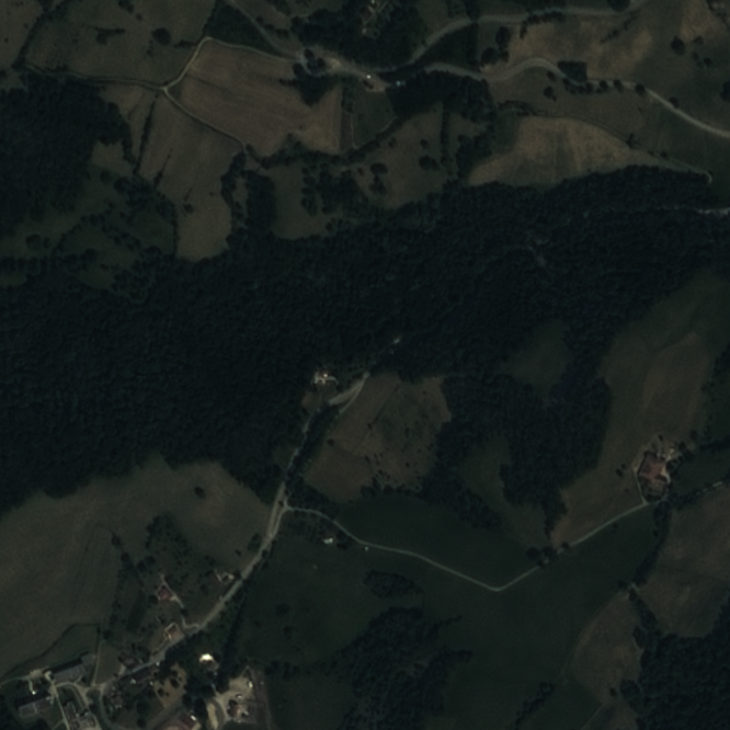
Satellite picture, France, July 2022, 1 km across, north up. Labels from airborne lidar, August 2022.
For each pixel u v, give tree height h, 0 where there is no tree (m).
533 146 0
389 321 19
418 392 0
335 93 0
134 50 0
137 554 0
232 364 25
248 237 20
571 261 16
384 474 7
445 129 7
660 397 0
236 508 0
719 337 0
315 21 12
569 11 0
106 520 0
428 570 0
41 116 16
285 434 24
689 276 9
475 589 0
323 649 0
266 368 22
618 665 0
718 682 24
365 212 8
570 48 0
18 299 11
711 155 0
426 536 0
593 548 0
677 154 0
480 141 17
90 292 19
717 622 0
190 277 19
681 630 0
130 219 11
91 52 0
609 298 30
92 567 0
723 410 0
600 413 25
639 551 0
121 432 22
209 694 13
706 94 0
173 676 7
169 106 0
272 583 0
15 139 23
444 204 14
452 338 28
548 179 0
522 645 0
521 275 14
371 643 13
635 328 0
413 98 22
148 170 0
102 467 17
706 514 0
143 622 0
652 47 0
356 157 10
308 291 19
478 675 0
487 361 15
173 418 27
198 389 20
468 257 20
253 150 11
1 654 0
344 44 21
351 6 19
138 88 0
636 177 21
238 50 0
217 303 24
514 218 7
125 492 0
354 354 16
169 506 0
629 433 0
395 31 21
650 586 0
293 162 10
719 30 0
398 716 9
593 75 0
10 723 14
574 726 0
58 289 23
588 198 26
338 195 17
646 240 18
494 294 16
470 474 0
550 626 0
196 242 0
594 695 0
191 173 0
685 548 0
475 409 21
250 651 0
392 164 0
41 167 22
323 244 15
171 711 0
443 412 0
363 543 0
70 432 31
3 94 11
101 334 21
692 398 0
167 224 0
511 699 0
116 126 17
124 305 15
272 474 20
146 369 20
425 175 0
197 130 0
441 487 21
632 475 0
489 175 0
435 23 0
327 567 0
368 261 18
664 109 0
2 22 0
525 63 0
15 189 26
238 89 0
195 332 21
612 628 0
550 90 8
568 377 0
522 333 19
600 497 0
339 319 18
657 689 21
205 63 0
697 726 26
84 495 0
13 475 22
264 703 0
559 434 17
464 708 0
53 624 0
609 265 14
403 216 24
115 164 0
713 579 0
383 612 0
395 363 23
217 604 0
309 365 23
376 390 0
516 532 0
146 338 25
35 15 0
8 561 0
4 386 17
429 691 22
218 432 25
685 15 0
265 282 16
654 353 0
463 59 0
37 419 31
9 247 0
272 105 0
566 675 0
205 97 0
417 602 0
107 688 0
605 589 0
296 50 0
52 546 0
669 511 13
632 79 0
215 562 7
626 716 0
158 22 0
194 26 0
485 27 0
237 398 25
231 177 8
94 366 29
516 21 0
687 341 0
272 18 0
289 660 0
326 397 0
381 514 0
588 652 0
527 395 25
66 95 19
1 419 27
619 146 0
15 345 22
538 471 21
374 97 0
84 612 0
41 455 27
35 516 0
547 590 0
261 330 19
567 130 0
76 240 0
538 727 0
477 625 0
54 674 0
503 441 0
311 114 0
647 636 17
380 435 0
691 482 0
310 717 0
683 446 10
